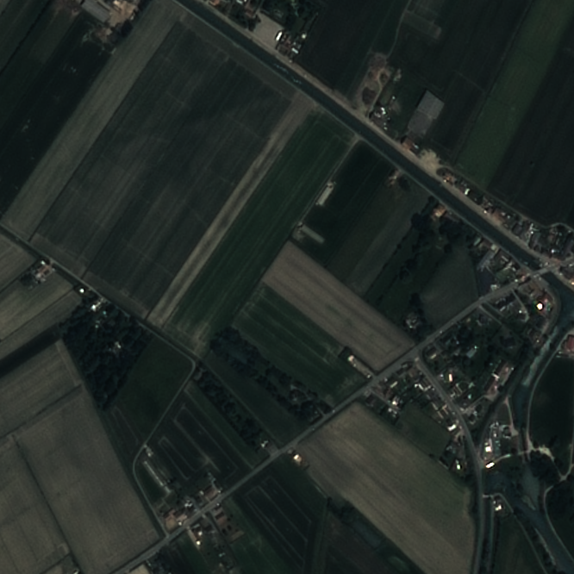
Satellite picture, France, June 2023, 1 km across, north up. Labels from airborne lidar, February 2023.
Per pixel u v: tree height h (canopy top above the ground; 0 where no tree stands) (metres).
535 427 0
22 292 0
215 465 0
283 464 0
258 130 0
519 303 0
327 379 0
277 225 0
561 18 0
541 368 0
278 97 0
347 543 0
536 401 0
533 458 13
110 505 0
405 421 0
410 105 0
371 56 0
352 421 0
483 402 0
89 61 0
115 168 0
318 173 0
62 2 0
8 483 0
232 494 0
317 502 0
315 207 0
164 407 0
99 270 0
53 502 0
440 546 0
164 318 0
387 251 0
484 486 0
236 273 0
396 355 0
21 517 0
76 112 0
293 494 0
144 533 0
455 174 0
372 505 0
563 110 0
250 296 0
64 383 0
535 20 0
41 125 0
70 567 0
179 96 0
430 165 0
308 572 0
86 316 8
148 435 0
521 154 0
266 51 0
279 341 0
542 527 0
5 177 0
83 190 0
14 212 0
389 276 0
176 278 0
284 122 0
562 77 0
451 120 0
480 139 0
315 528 0
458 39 0
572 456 0
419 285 0
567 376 0
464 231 16
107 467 0
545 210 0
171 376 0
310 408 14
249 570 0
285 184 0
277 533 0
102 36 0
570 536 0
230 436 0
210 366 0
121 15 0
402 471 0
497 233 0
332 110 0
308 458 0
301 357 0
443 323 0
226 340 17
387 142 0
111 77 0
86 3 0
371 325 0
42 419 0
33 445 0
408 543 0
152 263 0
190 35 0
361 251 0
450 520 0
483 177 0
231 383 0
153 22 0
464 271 0
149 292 0
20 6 0
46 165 0
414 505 0
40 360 0
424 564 0
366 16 0
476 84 0
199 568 0
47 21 0
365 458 0
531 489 0
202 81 0
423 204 0
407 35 0
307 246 0
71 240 0
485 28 0
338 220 0
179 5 0
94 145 0
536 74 0
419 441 0
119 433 0
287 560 0
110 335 15
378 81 0
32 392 0
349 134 0
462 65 0
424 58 0
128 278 0
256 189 0
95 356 17
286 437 0
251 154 0
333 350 0
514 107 0
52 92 0
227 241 0
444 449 0
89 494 0
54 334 0
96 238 0
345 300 0
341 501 0
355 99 0
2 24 0
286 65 0
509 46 0
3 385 0
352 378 0
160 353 0
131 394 0
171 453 0
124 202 0
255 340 0
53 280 0
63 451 0
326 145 0
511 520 0
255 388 0
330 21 0
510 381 6
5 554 0
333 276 0
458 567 0
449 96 0
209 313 0
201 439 0
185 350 0
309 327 0
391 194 0
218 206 0
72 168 0
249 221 0
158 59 0
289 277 0
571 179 0
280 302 0
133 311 0
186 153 0
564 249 0
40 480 0
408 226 0
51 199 0
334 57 0
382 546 0
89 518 0
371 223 0
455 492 0
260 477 0
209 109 0
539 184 0
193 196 0
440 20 0
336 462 0
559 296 0
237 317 0
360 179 0
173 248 0
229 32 0
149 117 0
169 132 0
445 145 0
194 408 0
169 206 0
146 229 0
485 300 0
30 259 0
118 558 0
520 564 0
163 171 0
